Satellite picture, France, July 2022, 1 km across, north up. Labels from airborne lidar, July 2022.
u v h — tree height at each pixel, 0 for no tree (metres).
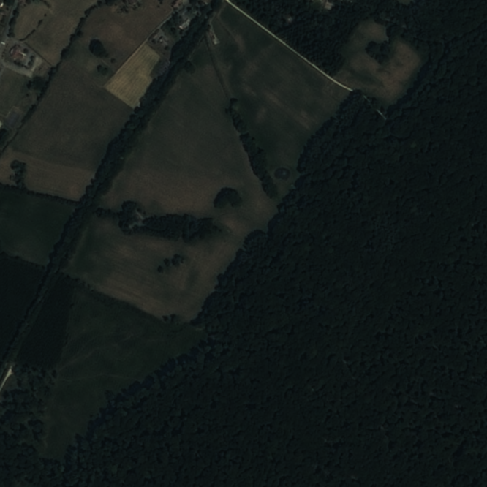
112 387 0
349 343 29
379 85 0
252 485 23
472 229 31
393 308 27
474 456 28
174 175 0
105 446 32
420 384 27
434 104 28
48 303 9
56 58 0
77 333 0
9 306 8
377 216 23
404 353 29
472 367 28
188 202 0
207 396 31
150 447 27
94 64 0
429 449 25
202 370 31
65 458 0
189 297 0
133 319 0
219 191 0
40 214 0
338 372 30
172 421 29
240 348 25
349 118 25
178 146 0
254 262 19
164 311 0
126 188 0
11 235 0
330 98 0
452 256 31
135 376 0
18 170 13
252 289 30
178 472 26
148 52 0
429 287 28
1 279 7
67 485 15
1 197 0
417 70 0
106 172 20
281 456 25
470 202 28
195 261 0
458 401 26
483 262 28
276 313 29
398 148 32
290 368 25
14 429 26
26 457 26
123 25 0
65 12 0
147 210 0
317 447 30
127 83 0
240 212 0
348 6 18
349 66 0
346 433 31
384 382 28
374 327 28
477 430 11
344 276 29
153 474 26
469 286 28
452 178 34
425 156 30
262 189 0
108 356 0
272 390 28
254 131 0
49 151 0
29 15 0
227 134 0
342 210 30
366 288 29
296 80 0
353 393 26
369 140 29
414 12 29
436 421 25
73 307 11
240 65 0
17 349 19
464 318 29
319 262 29
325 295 27
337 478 26
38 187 0
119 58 0
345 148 23
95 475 32
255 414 31
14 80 0
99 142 0
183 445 27
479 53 32
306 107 0
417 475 26
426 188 29
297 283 31
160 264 0
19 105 0
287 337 27
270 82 0
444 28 25
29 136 0
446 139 27
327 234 31
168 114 0
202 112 0
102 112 0
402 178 28
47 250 0
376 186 28
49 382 23
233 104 16
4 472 30
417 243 31
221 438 27
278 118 0
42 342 9
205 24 14
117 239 0
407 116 34
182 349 0
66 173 0
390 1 18
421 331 31
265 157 19
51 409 0
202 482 27
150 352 0
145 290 0
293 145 0
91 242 0
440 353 23
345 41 24
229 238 0
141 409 25
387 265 30
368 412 28
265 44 0
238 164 0
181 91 0
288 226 25
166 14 0
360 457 28
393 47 6
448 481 25
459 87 27
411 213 28
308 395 26
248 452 29
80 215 21
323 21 14
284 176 0
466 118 29
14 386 0
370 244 15
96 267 0
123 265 0
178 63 20
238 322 34
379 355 29
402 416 29
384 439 29
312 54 16
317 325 27
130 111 0
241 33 0
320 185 29
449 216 30
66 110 0
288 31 22
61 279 6
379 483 30
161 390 31
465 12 31
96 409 0
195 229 17
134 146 7
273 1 30
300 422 30
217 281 0
